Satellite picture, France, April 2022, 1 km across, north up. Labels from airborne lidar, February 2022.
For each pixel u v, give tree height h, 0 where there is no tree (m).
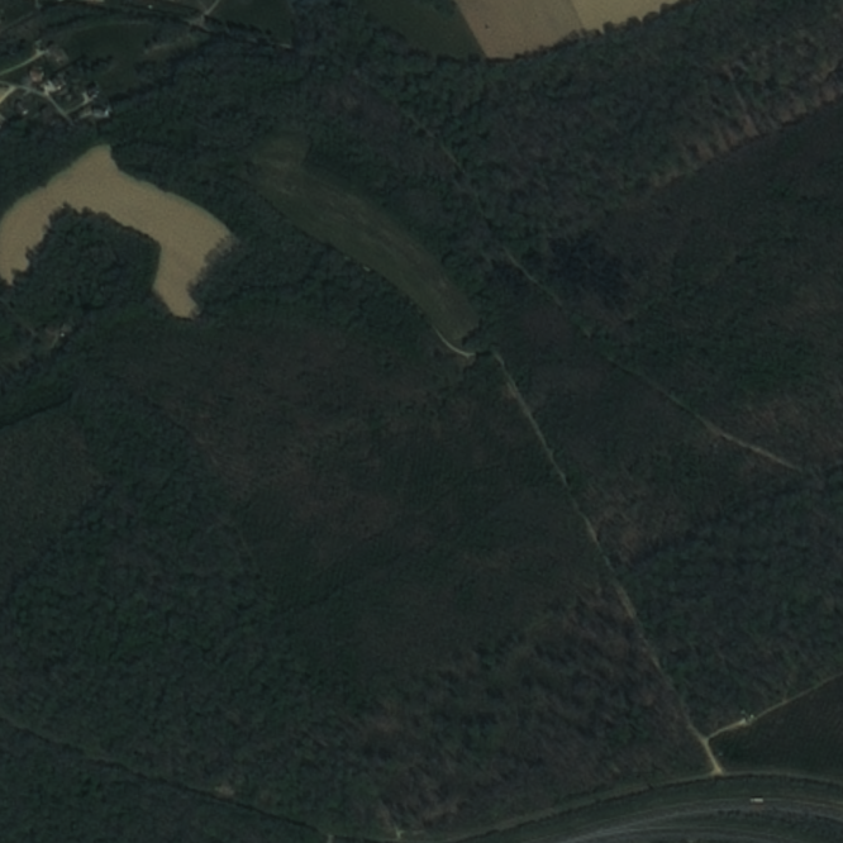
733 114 21
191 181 23
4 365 0
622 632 28
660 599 29
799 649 34
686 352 17
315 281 19
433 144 26
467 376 8
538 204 30
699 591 32
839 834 0
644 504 15
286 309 20
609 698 29
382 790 27
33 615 25
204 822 28
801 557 27
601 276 14
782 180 15
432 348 16
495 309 25
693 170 26
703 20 26
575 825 0
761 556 32
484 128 30
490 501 9
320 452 8
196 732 29
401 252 0
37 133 23
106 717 23
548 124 29
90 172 0
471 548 12
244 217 19
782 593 34
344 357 13
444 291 0
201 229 0
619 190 25
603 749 30
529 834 0
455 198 25
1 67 11
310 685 23
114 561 29
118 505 23
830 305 18
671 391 15
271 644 27
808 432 18
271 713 28
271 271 18
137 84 0
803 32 29
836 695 0
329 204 0
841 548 28
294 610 10
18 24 0
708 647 30
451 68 26
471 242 26
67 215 12
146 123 14
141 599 25
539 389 22
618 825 0
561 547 13
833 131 15
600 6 0
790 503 29
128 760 19
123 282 23
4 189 26
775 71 26
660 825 0
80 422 18
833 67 22
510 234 21
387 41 26
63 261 29
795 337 15
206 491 26
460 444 8
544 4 0
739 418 22
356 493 8
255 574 24
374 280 9
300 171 0
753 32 30
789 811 0
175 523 25
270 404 13
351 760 26
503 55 0
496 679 29
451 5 24
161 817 26
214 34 7
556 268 14
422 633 14
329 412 13
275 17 0
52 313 18
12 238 0
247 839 30
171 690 27
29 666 27
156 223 0
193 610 25
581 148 30
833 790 9
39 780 24
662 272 18
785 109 28
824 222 19
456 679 0
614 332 21
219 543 29
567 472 9
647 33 26
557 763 21
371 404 12
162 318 15
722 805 0
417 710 28
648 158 27
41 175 24
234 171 13
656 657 27
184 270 0
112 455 20
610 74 30
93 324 21
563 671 26
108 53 0
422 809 0
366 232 0
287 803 25
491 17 0
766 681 30
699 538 14
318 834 16
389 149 26
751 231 18
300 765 29
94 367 20
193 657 24
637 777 24
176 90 18
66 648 27
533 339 16
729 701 31
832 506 29
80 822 24
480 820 15
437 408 10
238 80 27
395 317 18
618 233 12
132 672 29
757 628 34
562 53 16
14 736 24
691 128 30
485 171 21
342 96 29
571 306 18
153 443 18
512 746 0
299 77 24
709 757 15
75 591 28
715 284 17
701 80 33
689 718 26
